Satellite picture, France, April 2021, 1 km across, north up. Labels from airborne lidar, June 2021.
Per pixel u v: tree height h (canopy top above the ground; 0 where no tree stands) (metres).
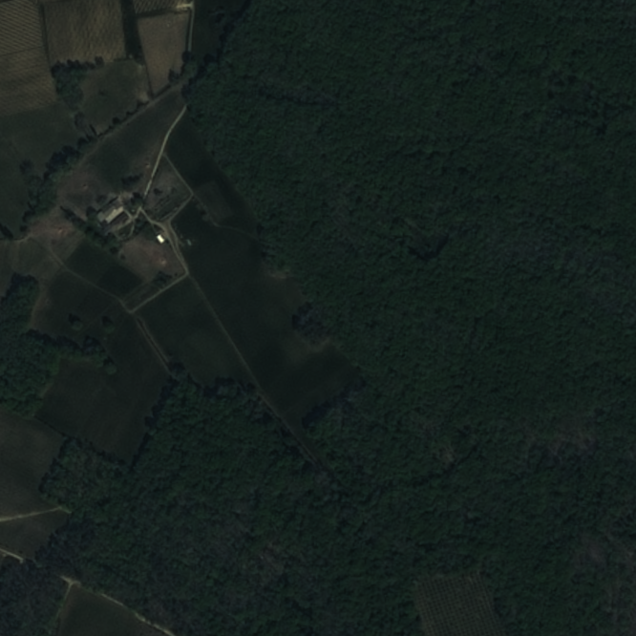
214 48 0
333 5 19
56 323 0
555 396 21
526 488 18
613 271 18
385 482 19
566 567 21
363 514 22
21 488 0
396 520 21
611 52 19
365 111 25
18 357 23
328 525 29
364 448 25
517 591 22
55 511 0
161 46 0
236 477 24
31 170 20
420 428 16
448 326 25
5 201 0
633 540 18
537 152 21
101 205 12
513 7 21
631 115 20
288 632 25
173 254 0
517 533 22
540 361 20
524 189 21
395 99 20
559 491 15
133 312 0
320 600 25
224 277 0
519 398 21
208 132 20
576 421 20
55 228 0
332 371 0
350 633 21
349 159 19
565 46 18
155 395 0
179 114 0
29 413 18
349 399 16
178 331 0
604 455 19
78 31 0
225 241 0
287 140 22
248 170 21
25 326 23
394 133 23
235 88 16
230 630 23
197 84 14
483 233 22
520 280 19
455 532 24
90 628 0
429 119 23
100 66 17
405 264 22
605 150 22
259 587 19
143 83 0
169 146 0
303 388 0
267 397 0
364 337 20
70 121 0
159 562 23
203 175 0
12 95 0
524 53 20
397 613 26
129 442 0
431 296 20
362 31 21
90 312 0
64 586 14
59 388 0
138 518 23
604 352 23
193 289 0
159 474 23
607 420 17
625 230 24
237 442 24
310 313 21
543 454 19
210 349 0
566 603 19
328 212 20
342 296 19
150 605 20
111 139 0
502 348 21
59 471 15
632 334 17
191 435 26
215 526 22
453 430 14
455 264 18
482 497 21
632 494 18
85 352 10
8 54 0
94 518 18
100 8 0
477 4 22
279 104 24
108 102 0
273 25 23
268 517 25
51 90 0
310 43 25
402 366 23
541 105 18
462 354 23
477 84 20
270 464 20
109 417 0
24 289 26
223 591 24
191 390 26
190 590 19
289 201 19
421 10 20
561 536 22
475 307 21
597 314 16
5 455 0
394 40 19
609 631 17
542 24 22
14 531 0
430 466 18
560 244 21
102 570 17
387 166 23
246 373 0
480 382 24
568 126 21
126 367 0
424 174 23
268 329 0
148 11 0
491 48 21
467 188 25
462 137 24
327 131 20
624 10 19
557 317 17
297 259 20
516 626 13
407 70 19
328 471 25
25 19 0
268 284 0
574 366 19
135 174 0
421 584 10
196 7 0
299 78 23
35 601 18
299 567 24
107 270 0
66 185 0
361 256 18
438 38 20
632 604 14
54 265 0
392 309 24
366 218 17
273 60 21
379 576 27
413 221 17
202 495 23
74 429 0
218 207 0
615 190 21
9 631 18
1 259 0
